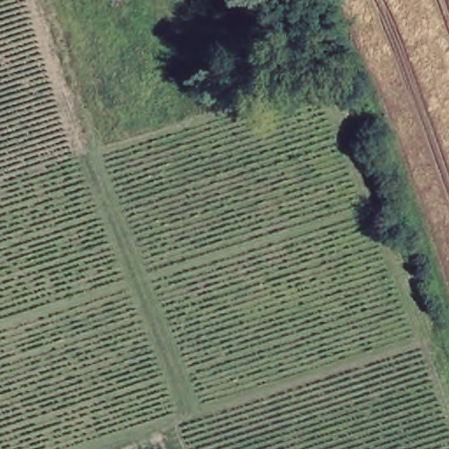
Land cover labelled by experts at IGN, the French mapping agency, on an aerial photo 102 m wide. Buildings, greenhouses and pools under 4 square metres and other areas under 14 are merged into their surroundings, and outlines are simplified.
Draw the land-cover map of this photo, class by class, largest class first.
<instances>
[{"label":"vineyard","instance_id":"1","mask_svg":"<svg viewBox=\"0 0 449 449\"><path fill-rule=\"evenodd\" d=\"M30 12L26 9L25 0H0V321L39 309L49 303L89 293L93 289L109 286L114 282H121V277L114 270V258L110 254V247L105 244L103 224L98 223V217L91 214L95 207L93 196L88 188H81L82 174L77 165L72 163V156L75 153L67 146L65 133L61 128L53 88L47 77L46 63L37 65V61L42 60V54L39 53L37 37L28 19ZM216 116L202 125L188 126L179 132L151 137L132 146L103 154L105 170L112 177L119 205H123L126 212L128 226L132 228L133 235L146 232V235L137 237V246L142 251V258L149 272L147 275L156 286V300L163 307H170V310H167V321L172 326V331H179V353L191 363L189 381L195 384L198 402H228L226 409L214 410L210 414L193 417L179 424L184 444L196 445L191 449H449V428L445 424V417L442 416L437 396L433 393V384L428 379L431 374L437 372L435 353L438 347L431 342V328L433 323L424 312L419 310L410 295V274L403 268V263L400 254H396L391 247L377 242L358 232L354 205L360 202L361 196H370V191L361 179L360 172L354 168L353 161L349 160L347 154L340 153L337 146L340 125L349 116L346 110H340L337 105L316 107L300 102L288 109L282 110L279 116L267 121L249 116L239 119V110H233L230 116H226L223 110L214 112ZM144 314L135 316L128 291L118 289L114 293L95 296L86 302L75 303L65 309L53 310L44 316L16 323L14 326L0 328V449H68L116 431L128 430L139 424L170 416V410L165 412L161 409L160 400L167 396V393L158 391L160 377L154 370H147L153 365L149 358L151 351L147 347L146 331H142L140 321Z\"/></svg>","mask_w":449,"mask_h":449},{"label":"herbaceous vegetation","instance_id":"2","mask_svg":"<svg viewBox=\"0 0 449 449\"><path fill-rule=\"evenodd\" d=\"M37 5L44 11V21L49 26L51 53L58 56L61 74L74 98L75 118L84 142V153H75L72 156V163L77 165L82 174L81 188H88L93 196L95 207L91 214L98 217V223L103 224L105 244L110 247V254L114 258V270L121 277V282H114L109 286L93 289L89 293L49 303L39 309L0 321V328L14 326L16 323L44 316L53 310L65 309L75 303L86 302L95 296L114 293L118 289L128 291L135 316L144 314L140 321L142 331H146L147 347L151 351L149 358L153 365L147 370H154L160 377L158 391L167 393V396L160 400L161 409L165 412L170 410V416L139 424L128 430L116 431L68 449H191L196 445L184 444L179 424L193 417L210 414L214 410L226 409L228 402H198L195 384L189 381L191 363L179 353V331H172V326L167 321V310H170V307H163L156 300V286L147 275L149 272L142 258V251L137 246V237L146 235V232L133 235L132 228L128 226L126 212L123 205H119L112 177L105 170L103 154L132 146L151 137L179 132L188 126L202 125L216 116L214 112L210 110L209 103H203L198 96L186 95L177 88L181 84L182 75L193 65V53L198 42L205 37L207 26L214 19L210 9L198 4L196 0H37ZM288 109L284 103L277 100V96L268 100L267 96L251 98L246 95L239 98V119L249 116L267 121L279 116L282 110ZM360 130L354 126L353 119L349 116L340 125L337 146L340 153L347 154L349 160L353 161L354 168L360 172L361 179L370 191V196H361L360 202L354 205L358 232L377 242L381 239L379 230L384 217L379 186L375 177L368 175L365 165L356 160L354 140ZM403 268L410 274V295L419 310L424 312L428 310V305L424 302L423 293L419 289L421 281L416 263H403ZM431 342L438 347L435 353L437 372L431 374L428 379L433 384V393L437 396L442 416L445 417V424L449 428V324L442 330L431 328Z\"/></svg>","mask_w":449,"mask_h":449},{"label":"deciduous trees","instance_id":"3","mask_svg":"<svg viewBox=\"0 0 449 449\"><path fill-rule=\"evenodd\" d=\"M198 4L210 9L214 19L207 26L205 37L198 42L193 53V65L182 75L181 84L177 88L186 95L198 96L203 103H209L210 110L214 112L223 110L226 116H230L233 110H239V98L246 95L251 98L267 96L268 100L277 96V100L284 103L288 109L300 102L316 107L337 105L340 110H346L349 116L353 119L354 126L360 130L354 140L356 160L365 165L368 175L375 177L379 186L384 217L379 230L381 239L377 242L391 247L396 254H400L403 263H416L421 281L419 289L423 293L424 302L428 305V310L424 312L433 323L431 328L442 330L449 324V295L438 270L437 256L431 251L430 235L424 226V214L416 202L414 182L409 179L407 172V161L398 153L396 132L386 123L377 88L368 74L365 58L358 53L356 39L351 37L356 18H346L342 11L344 0H196Z\"/></svg>","mask_w":449,"mask_h":449},{"label":"agricultural land","instance_id":"4","mask_svg":"<svg viewBox=\"0 0 449 449\"><path fill-rule=\"evenodd\" d=\"M342 11L346 18H356L351 37L356 39L358 53L365 58L368 74L377 88L386 123L396 132L398 153L407 161V172L409 179L414 182L416 202L424 214V226L430 235L431 251L437 256L438 270L449 295V0H344Z\"/></svg>","mask_w":449,"mask_h":449},{"label":"pervious surface","instance_id":"5","mask_svg":"<svg viewBox=\"0 0 449 449\"><path fill-rule=\"evenodd\" d=\"M26 9L30 12L28 19L37 37L39 53L42 54V60L37 61V65L46 63L47 77L53 88L61 128L65 133L67 146L75 153H84V142L75 118L74 98L61 74L58 56L51 53L49 26L44 21V11L37 5V0H25Z\"/></svg>","mask_w":449,"mask_h":449}]
</instances>
